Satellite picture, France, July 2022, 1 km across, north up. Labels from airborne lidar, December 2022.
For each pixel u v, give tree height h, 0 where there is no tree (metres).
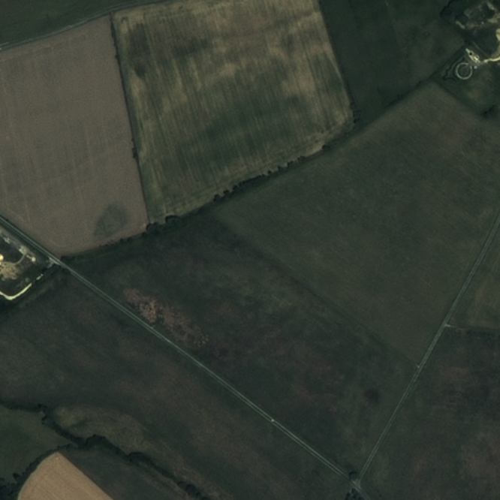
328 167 0
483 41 0
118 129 0
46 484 0
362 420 0
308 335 0
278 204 0
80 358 0
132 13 0
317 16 0
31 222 0
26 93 0
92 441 10
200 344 0
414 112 0
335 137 0
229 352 0
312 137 0
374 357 0
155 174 0
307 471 0
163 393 0
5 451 0
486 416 0
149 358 0
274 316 0
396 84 0
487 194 0
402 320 0
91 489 0
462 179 0
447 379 0
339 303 0
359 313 0
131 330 0
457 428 0
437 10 0
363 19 0
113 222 0
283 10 0
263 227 0
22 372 0
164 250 0
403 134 0
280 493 0
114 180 0
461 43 0
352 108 10
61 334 0
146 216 0
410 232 0
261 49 0
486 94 0
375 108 0
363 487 0
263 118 0
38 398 0
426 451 0
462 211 0
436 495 0
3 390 0
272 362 0
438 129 0
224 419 0
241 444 0
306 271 0
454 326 0
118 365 0
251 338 0
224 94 0
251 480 0
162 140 0
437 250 0
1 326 0
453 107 0
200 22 0
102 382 0
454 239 0
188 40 0
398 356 0
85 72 0
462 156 0
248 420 0
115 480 0
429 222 0
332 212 0
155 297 0
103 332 0
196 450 0
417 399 0
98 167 0
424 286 0
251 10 0
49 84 0
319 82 0
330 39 0
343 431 0
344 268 0
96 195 0
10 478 0
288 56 0
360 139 0
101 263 0
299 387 0
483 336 0
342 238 0
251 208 0
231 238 0
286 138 0
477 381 0
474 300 0
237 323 0
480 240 0
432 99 0
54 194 0
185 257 0
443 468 0
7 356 0
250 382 0
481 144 0
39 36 0
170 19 0
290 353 0
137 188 0
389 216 0
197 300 0
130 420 0
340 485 0
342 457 0
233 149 0
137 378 0
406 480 0
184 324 0
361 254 0
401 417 0
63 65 0
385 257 0
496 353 0
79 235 0
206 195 0
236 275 0
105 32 0
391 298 0
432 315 0
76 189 0
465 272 0
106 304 0
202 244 0
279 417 0
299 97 0
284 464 0
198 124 0
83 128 0
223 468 0
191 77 0
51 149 0
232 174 0
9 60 0
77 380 0
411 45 0
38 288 0
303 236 0
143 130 0
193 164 0
